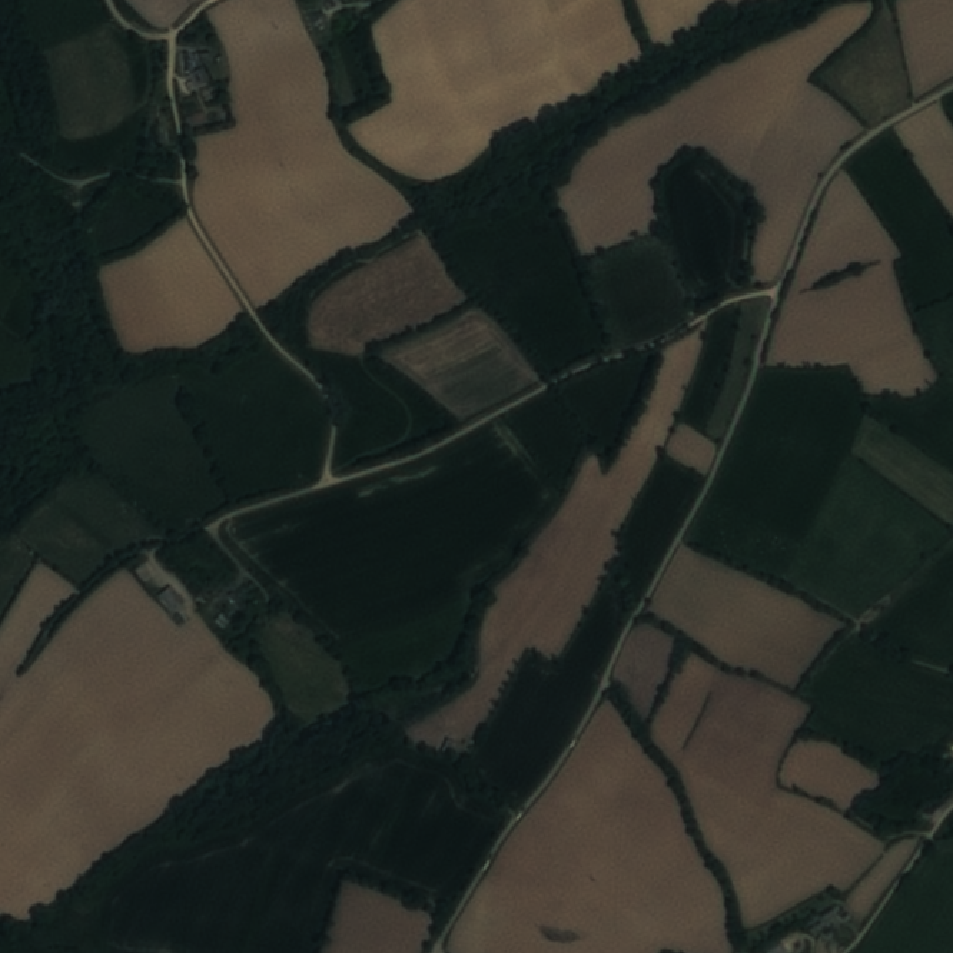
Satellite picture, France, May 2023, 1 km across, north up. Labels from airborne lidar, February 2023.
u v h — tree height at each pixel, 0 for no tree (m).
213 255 0
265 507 0
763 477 0
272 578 0
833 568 0
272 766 23
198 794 15
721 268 0
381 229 0
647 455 0
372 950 0
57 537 0
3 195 8
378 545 0
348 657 0
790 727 0
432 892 0
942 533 0
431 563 0
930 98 0
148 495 0
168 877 0
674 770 8
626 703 11
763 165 0
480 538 0
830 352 0
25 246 15
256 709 0
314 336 0
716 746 0
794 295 0
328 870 0
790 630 0
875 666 0
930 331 0
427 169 0
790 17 10
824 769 0
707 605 0
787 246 0
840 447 0
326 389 25
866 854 0
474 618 16
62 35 0
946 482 0
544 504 0
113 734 0
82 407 11
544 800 0
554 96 0
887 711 0
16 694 0
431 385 0
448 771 0
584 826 0
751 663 0
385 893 13
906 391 0
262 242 0
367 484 0
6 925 15
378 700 7
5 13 22
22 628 0
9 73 14
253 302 0
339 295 0
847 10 0
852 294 0
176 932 0
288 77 0
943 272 0
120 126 0
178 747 0
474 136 0
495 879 0
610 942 0
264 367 0
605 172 0
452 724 0
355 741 20
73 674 0
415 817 0
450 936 0
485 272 0
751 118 0
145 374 7
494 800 12
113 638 0
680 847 0
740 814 0
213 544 9
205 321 0
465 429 0
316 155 0
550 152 8
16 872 0
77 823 0
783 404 0
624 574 9
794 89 0
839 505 0
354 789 0
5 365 0
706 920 0
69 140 0
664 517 0
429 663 0
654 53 17
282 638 0
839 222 0
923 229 0
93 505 0
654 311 0
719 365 0
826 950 0
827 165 0
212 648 0
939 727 0
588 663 0
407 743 12
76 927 0
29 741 0
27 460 9
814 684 0
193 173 11
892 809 0
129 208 0
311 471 0
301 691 0
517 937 0
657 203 7
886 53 0
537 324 0
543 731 0
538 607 0
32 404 13
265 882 0
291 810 0
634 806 0
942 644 0
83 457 11
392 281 0
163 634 0
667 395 0
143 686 0
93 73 0
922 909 0
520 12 0
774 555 0
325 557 0
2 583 0
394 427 0
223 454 0
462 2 0
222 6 0
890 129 0
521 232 0
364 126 0
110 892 0
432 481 0
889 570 0
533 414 0
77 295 13
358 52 6
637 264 0
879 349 0
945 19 0
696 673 0
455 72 0
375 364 11
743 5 10
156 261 0
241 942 0
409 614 0
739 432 0
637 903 0
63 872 0
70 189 0
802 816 0
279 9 0
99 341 9
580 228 0
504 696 11
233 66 0
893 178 0
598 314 16
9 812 0
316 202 0
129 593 0
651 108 14
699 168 0
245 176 0
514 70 0
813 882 0
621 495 0
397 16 0
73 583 6
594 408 0
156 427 0
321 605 0
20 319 0
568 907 0
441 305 0
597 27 0
